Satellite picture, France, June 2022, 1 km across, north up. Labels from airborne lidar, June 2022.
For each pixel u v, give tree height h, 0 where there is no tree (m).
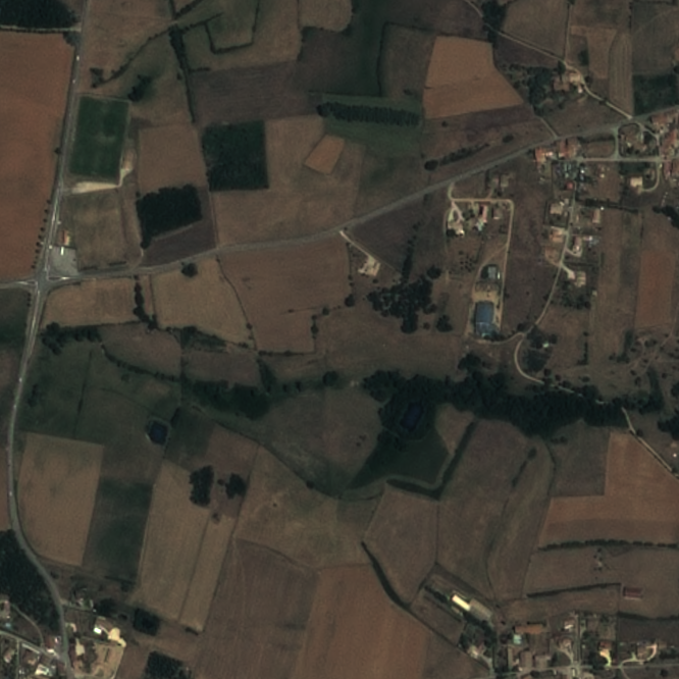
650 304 0
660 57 0
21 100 0
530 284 0
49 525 0
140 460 0
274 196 0
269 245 0
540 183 0
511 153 0
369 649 0
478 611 0
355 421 0
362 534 0
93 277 0
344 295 0
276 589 0
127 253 0
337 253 0
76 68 0
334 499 0
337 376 6
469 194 0
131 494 0
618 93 0
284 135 0
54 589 0
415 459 0
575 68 0
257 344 0
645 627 0
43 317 0
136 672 0
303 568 0
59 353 18
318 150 0
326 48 0
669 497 0
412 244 9
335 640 0
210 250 0
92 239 0
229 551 0
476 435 0
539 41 0
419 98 0
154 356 0
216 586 0
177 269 0
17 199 0
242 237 0
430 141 0
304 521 0
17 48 0
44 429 0
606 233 0
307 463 0
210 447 0
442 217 0
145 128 0
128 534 0
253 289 0
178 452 0
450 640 0
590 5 0
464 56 0
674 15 0
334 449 0
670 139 0
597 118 0
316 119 0
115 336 0
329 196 0
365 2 0
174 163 0
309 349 0
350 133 0
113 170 0
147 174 0
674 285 0
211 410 0
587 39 0
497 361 0
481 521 0
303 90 0
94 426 0
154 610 0
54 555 0
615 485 0
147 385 0
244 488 6
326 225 0
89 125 0
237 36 0
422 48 0
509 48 0
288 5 0
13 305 0
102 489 0
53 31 7
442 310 0
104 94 0
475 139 0
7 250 0
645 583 0
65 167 0
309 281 0
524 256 0
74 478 0
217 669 0
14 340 0
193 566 0
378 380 19
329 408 0
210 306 0
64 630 0
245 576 0
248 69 0
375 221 0
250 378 0
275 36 0
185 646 0
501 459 0
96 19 0
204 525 0
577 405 12
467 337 0
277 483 0
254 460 0
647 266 0
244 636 0
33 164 0
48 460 0
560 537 0
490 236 0
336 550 0
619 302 0
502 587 0
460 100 0
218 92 0
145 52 0
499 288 0
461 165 0
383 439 9
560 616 0
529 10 0
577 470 0
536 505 0
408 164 0
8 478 0
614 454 0
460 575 0
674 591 0
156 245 0
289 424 0
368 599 0
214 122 0
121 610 0
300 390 16
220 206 0
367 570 0
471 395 14
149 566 0
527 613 0
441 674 0
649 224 0
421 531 0
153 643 0
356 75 0
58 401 0
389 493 0
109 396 0
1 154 0
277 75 0
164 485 0
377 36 0
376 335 0
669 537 0
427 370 0
